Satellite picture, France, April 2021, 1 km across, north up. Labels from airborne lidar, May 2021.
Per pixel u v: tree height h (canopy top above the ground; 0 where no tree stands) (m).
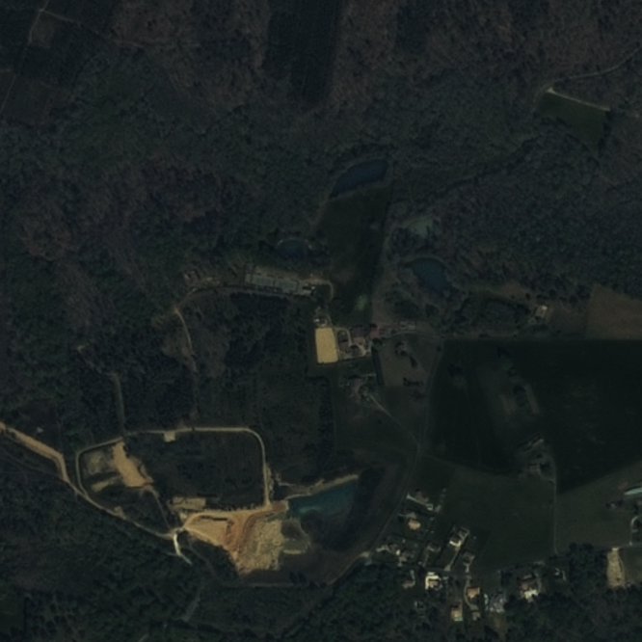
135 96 12
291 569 0
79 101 20
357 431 0
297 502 0
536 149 16
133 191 13
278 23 14
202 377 8
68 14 12
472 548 0
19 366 11
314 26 13
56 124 13
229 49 19
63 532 9
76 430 21
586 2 10
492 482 0
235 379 12
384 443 0
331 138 20
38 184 9
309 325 0
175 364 15
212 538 0
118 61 16
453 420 0
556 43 12
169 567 15
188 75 8
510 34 7
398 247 14
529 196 17
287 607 11
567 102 0
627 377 0
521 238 15
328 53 13
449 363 0
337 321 8
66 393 10
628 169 17
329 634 13
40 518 20
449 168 11
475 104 22
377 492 0
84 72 17
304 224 23
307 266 10
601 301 0
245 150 18
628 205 17
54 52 10
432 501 0
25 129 16
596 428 0
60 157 21
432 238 14
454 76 23
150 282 14
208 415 13
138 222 10
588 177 22
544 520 0
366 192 7
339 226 0
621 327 0
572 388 0
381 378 15
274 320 9
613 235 20
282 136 12
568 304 11
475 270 19
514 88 17
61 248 9
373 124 21
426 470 0
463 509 0
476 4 11
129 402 19
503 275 10
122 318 9
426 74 13
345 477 0
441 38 16
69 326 10
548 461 0
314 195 20
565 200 15
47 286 15
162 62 12
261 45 8
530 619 16
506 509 0
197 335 12
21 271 16
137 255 16
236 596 7
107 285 19
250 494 0
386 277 0
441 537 0
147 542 17
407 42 20
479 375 0
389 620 17
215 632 19
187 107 16
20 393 14
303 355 7
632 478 0
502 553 0
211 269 23
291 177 23
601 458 0
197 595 14
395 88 14
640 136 17
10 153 17
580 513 0
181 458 7
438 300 22
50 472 0
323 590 11
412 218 13
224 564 12
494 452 0
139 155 11
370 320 0
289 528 0
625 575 0
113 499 8
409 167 8
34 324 16
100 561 12
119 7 14
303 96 11
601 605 16
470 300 7
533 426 0
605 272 17
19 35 11
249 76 13
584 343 0
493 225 15
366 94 9
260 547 0
